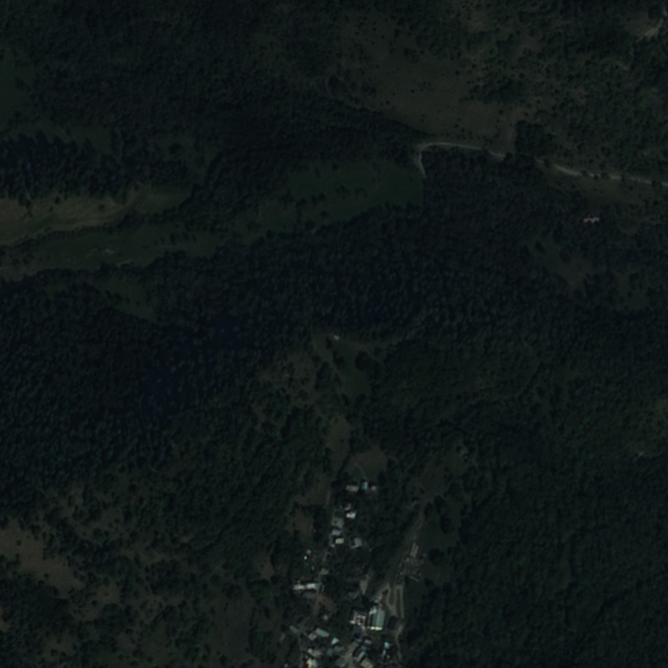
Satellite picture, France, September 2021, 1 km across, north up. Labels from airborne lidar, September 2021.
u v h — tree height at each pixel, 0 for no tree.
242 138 21
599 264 22
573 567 23
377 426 24
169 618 13
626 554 23
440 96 0
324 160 17
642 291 14
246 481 18
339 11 9
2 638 24
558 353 23
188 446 27
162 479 8
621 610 25
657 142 11
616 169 13
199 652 14
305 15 27
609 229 19
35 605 16
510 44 14
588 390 17
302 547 15
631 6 17
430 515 13
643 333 20
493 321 18
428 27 21
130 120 16
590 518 19
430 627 26
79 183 19
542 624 22
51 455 16
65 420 27
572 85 20
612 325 16
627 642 27
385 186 0
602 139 11
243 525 20
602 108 20
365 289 26
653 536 27
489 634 20
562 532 22
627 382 18
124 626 17
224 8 25
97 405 20
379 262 24
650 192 0
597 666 26
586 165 7
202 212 13
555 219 17
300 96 16
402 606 0
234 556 17
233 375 20
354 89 17
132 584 17
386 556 17
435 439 25
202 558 16
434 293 24
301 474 20
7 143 0
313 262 29
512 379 22
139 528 7
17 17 19
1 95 0
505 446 25
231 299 31
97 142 0
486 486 18
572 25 11
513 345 19
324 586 6
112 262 0
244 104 16
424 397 23
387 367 18
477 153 6
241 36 20
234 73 16
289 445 19
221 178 17
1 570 13
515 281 18
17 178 26
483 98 16
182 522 12
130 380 18
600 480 11
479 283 26
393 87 0
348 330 17
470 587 18
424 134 9
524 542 24
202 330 22
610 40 19
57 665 8
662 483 30
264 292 23
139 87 18
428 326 21
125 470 11
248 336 22
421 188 0
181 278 20
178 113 14
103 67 8
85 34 7
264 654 11
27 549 0
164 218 8
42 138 0
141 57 20
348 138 18
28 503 21
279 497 27
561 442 15
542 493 29
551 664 24
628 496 22
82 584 10
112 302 19
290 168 18
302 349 10
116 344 17
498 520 29
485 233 15
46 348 25
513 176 24
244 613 0
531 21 15
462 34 13
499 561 17
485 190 18
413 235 33
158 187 7
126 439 30
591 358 26
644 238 21
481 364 23
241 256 26
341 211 0
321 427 15
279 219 0
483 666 23
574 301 19
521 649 7
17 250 7
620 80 17
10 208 0
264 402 16
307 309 17
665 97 17
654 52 20
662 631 30
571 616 22
